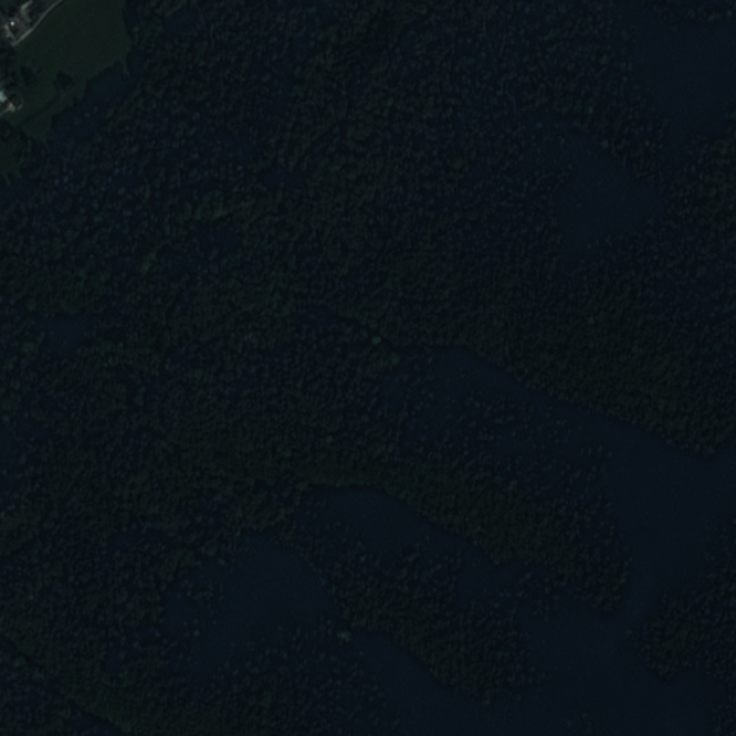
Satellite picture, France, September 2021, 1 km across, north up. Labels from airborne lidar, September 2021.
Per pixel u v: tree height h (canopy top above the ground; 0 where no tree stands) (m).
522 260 27
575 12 11
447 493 21
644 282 31
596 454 43
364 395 26
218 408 21
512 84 27
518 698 32
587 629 26
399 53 12
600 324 26
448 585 33
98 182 30
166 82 40
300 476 25
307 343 33
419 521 26
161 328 20
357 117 26
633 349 27
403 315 26
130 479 33
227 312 23
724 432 21
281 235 34
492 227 28
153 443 37
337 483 14
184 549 30
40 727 31
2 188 0
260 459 7
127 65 0
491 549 23
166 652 27
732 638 30
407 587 14
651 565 27
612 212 29
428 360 34
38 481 15
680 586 26
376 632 25
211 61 29
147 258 30
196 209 26
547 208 27
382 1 20
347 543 23
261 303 24
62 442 16
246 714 27
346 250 29
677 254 31
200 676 20
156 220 24
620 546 35
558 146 32
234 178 25
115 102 32
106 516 29
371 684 39
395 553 28
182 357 14
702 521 31
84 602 30
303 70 28
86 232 22
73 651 35
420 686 28
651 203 28
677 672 22
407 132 18
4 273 23
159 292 19
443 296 26
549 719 16
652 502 33
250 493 35
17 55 17
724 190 25
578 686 22
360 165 27
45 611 28
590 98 26
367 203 20
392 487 15
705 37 27
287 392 32
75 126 17
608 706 31
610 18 22
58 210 32
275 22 34
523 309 23
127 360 19
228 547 31
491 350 22
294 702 32
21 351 31
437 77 26
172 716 14
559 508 31
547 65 26
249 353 26
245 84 28
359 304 21
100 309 23
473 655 24
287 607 24
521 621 16
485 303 21
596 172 25
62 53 0
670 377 23
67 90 15
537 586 27
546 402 22
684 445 35
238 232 22
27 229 10
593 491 38
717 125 29
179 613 15
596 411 34
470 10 20
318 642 32
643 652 23
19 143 24
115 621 29
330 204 25
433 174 15
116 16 0
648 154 23
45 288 26
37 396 22
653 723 24
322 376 30
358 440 30
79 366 18
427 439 31
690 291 22
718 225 28
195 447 20
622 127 22
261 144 29
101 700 20
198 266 18
